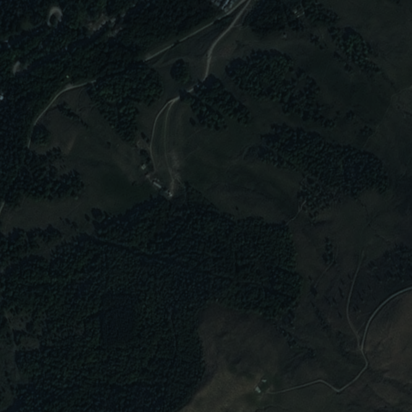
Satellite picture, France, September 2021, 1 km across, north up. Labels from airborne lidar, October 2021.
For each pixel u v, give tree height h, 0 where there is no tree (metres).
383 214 0
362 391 0
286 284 11
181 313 7
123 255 8
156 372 11
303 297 0
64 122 0
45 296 19
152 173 0
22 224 0
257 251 11
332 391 0
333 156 7
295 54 0
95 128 0
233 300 11
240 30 0
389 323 0
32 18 18
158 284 9
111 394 12
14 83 8
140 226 12
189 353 9
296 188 0
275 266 9
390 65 0
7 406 0
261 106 0
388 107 0
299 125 0
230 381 0
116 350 6
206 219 11
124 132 10
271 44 0
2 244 13
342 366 0
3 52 16
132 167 0
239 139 0
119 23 17
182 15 10
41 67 15
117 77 15
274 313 15
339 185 7
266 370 0
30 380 7
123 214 0
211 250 8
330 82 0
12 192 22
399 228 0
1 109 16
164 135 0
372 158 7
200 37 0
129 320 20
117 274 10
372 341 0
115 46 16
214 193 0
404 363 0
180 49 0
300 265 0
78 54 18
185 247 11
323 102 0
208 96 18
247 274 8
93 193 0
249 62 12
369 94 0
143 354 17
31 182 20
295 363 0
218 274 8
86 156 0
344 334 0
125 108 14
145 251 10
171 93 0
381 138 0
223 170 0
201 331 0
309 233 0
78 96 0
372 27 0
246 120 12
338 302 0
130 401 10
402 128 0
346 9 0
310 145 14
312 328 0
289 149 12
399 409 0
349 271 0
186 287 8
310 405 0
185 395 8
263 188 0
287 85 6
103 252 9
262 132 0
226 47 0
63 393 11
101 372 14
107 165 0
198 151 0
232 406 0
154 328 10
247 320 0
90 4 16
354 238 0
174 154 0
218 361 0
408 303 0
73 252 11
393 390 0
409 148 0
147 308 9
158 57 0
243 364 0
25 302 15
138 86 19
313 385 0
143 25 7
